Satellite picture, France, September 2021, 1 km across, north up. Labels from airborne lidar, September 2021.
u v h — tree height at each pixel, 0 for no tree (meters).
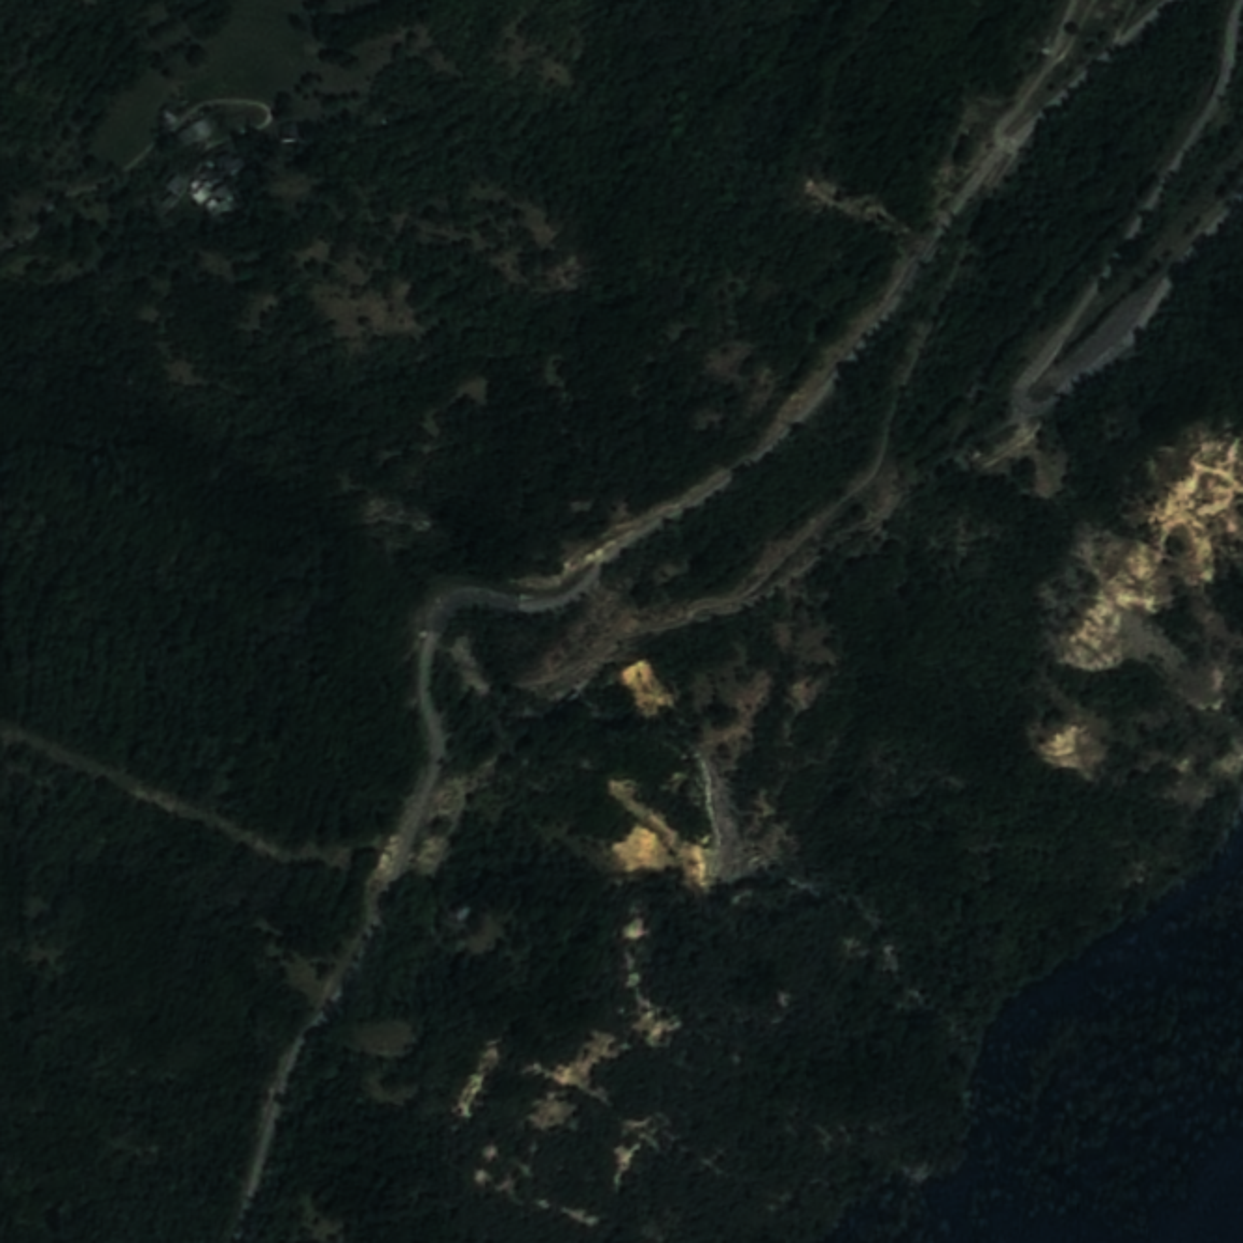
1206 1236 21
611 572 13
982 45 20
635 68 16
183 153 8
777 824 8
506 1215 13
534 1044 15
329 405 15
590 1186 12
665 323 19
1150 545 13
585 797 18
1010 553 15
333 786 21
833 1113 15
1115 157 18
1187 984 23
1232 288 24
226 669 24
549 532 13
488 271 15
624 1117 14
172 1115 19
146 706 20
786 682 7
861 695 20
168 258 20
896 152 23
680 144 15
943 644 13
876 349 15
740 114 17
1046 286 14
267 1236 18
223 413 13
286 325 12
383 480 22
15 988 6
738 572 10
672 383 16
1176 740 7
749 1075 17
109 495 28
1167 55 18
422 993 11
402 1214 9
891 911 11
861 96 21
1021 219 10
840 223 18
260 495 25
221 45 0
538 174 9
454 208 12
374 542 14
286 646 19
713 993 14
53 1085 19
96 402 23
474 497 24
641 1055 12
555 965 21
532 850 10
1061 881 15
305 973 0
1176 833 12
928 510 9
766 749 12
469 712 17
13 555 20
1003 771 13
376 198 13
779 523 7
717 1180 14
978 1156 12
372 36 17
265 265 14
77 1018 22
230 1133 12
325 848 12
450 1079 13
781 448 7
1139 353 7
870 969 16
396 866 0
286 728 29
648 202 18
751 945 11
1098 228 16
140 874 18
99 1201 18
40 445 17
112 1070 20
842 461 8
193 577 19
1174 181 11
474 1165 13
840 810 15
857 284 7
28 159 11
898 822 19
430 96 11
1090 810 12
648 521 0
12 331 13
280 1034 13
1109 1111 19
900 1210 17
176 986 22
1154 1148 23
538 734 12
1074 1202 29
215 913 9
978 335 15
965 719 18
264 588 16
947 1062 21
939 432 10
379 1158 20
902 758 11
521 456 23
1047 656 6
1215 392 17
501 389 13
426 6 14
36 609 11
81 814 16
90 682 22
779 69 16
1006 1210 25
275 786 27
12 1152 22
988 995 26
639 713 9
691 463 15
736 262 13
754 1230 17
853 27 20
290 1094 8
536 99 12
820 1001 14
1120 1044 11
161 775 11
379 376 12
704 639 16
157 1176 14
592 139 11
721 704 8
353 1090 11
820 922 17
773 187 16
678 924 16
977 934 18
